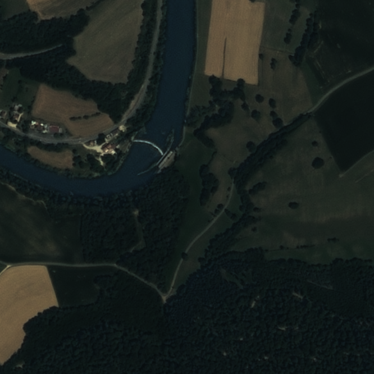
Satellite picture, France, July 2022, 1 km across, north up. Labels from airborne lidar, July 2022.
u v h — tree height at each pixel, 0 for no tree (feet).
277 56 0
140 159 0
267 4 0
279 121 64
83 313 25
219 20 0
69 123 0
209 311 87
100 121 0
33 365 77
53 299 0
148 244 38
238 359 71
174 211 49
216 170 0
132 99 43
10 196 0
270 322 91
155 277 65
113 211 99
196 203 0
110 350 86
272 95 0
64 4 0
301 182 0
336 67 0
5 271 0
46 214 0
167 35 0
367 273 36
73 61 0
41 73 59
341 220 0
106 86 39
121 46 0
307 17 0
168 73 0
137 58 46
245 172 67
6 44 61
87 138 0
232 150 0
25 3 0
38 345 45
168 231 46
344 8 0
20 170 0
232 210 0
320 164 61
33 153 0
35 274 0
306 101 0
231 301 76
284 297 85
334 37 0
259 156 46
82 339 87
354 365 95
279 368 76
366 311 31
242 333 75
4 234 0
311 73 0
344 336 100
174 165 24
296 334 79
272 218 0
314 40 67
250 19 0
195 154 0
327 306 40
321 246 0
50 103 0
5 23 38
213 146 46
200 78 0
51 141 0
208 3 0
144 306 34
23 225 0
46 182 0
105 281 84
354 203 0
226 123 65
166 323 34
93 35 0
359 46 0
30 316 0
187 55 0
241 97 67
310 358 67
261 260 45
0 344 0
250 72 0
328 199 0
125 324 37
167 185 78
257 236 0
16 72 0
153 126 0
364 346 103
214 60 0
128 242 37
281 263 69
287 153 0
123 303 39
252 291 78
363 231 0
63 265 0
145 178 0
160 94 0
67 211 46
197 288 78
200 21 0
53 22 63
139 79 58
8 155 0
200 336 82
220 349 83
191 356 96
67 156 0
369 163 0
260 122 0
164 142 0
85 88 45
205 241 0
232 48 0
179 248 0
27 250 0
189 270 0
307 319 71
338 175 0
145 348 100
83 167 42
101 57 0
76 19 56
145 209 46
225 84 0
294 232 0
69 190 0
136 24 0
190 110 0
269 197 0
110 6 0
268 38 0
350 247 0
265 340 82
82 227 38
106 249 28
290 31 33
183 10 0
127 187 0
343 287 28
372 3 0
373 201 0
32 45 40
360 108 0
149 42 45
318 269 44
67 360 55
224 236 48
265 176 0
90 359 80
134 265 96
